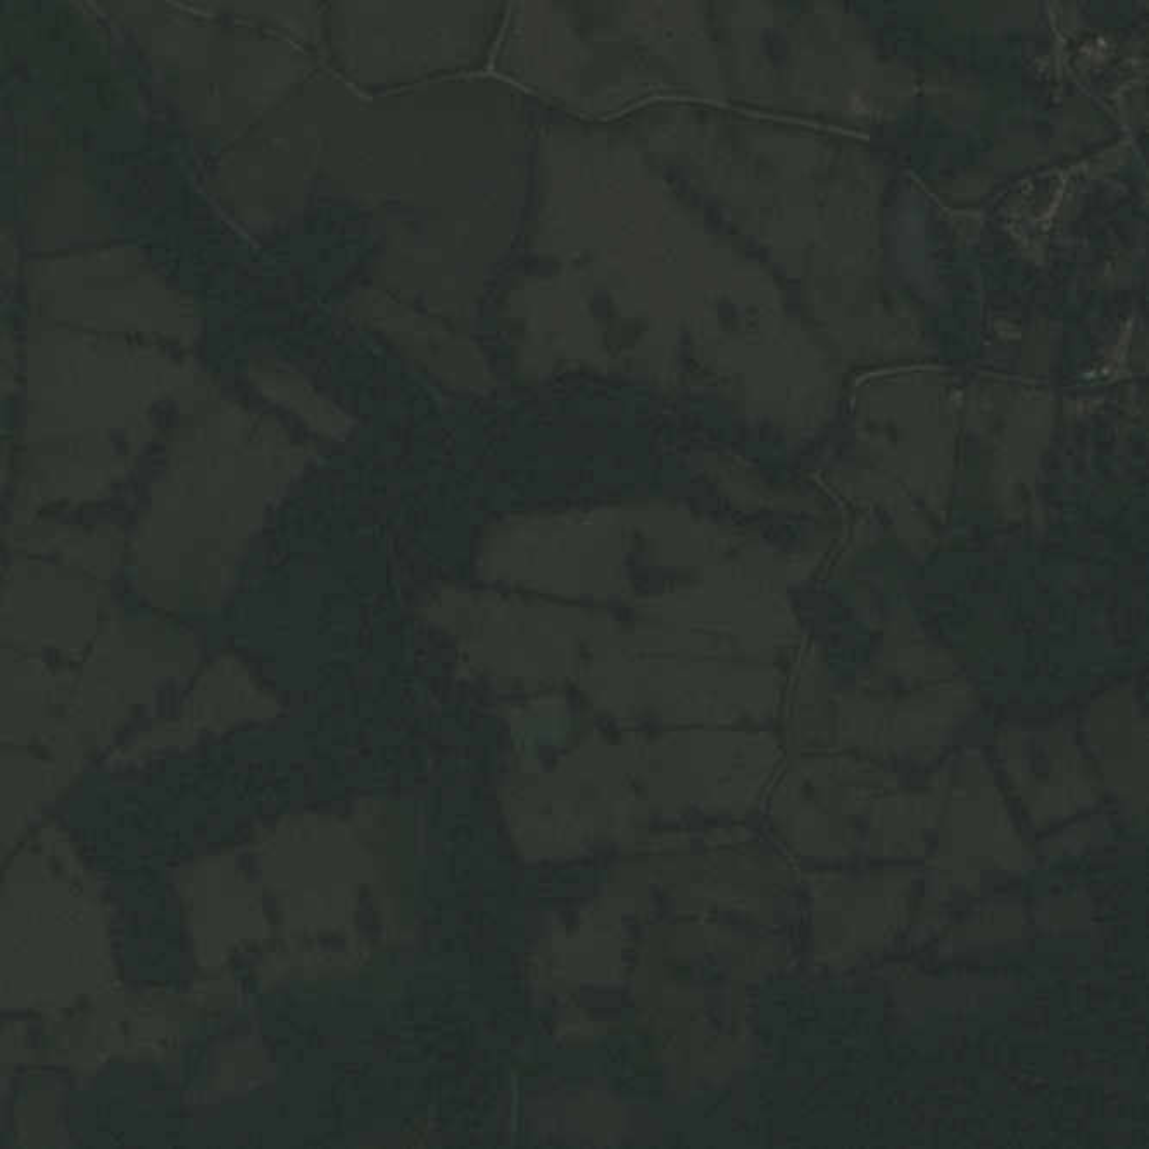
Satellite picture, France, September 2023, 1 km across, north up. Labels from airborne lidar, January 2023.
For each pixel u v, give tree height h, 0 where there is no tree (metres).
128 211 21
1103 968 25
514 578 0
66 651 0
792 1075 13
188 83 0
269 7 0
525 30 0
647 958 0
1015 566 0
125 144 19
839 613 9
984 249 12
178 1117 18
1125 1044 14
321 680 16
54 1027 0
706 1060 0
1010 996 0
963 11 0
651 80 0
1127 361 0
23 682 0
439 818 22
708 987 12
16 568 0
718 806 0
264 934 0
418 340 0
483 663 0
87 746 0
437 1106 0
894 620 0
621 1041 0
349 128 0
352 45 0
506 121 0
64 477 0
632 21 0
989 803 0
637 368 0
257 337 18
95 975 0
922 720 0
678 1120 0
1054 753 0
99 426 0
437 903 28
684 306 0
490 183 0
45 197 0
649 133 0
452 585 0
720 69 0
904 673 0
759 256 5
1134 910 14
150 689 0
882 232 0
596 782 0
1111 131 0
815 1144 19
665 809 0
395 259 0
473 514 8
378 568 22
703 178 0
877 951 0
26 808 0
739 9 0
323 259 16
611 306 12
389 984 0
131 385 0
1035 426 0
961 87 0
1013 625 10
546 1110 0
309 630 19
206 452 0
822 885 0
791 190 0
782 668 13
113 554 0
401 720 18
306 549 13
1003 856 0
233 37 0
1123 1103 14
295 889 0
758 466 14
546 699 0
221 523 0
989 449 0
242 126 0
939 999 0
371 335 0
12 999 0
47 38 0
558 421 15
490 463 10
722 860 0
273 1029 23
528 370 0
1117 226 14
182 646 0
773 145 0
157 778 9
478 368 0
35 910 0
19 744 0
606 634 0
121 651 0
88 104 0
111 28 14
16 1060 0
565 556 0
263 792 10
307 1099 22
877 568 0
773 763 0
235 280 9
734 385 0
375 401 7
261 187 0
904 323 0
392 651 19
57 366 0
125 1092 26
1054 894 6
